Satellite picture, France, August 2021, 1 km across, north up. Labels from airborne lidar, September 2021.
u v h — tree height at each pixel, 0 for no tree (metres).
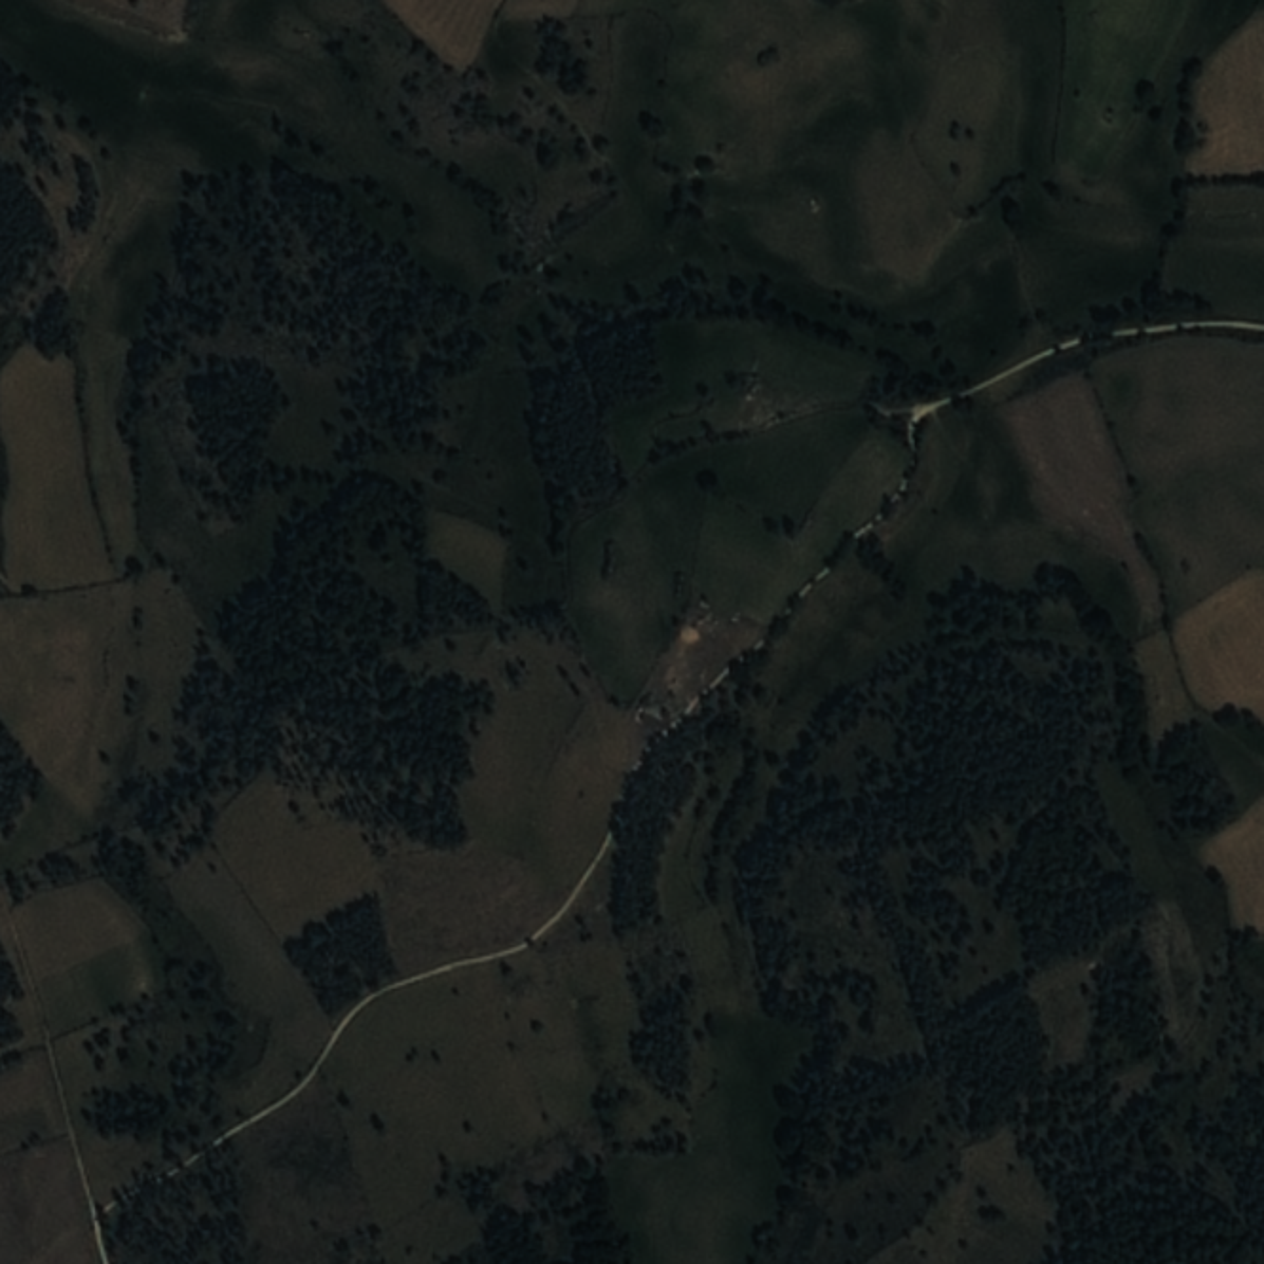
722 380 0
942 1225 0
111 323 0
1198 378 0
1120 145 0
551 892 0
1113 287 0
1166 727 0
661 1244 0
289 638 17
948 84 0
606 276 0
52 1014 0
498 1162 0
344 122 0
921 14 0
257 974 0
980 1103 14
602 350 20
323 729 15
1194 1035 0
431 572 16
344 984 18
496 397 0
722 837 11
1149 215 0
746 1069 0
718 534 0
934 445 0
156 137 0
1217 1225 19
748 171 0
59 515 0
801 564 0
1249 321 0
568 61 11
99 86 0
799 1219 0
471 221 0
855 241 0
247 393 17
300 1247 0
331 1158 0
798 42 0
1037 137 0
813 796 15
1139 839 0
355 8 0
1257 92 0
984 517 0
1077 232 0
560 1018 0
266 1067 0
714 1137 0
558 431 18
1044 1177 7
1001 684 17
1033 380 0
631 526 0
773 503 0
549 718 0
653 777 16
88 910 0
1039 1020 9
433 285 17
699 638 0
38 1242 0
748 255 0
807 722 0
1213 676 0
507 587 0
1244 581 0
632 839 16
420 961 0
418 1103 0
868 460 0
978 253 0
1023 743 16
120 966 0
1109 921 19
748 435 9
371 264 16
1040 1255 0
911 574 0
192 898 0
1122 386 0
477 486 0
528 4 0
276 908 0
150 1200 17
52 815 0
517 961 0
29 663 0
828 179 0
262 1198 0
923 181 0
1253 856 0
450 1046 0
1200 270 0
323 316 14
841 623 0
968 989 0
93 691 0
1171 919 0
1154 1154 12
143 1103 17
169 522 0
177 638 0
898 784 16
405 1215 0
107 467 0
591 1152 0
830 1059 18
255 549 0
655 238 0
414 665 0
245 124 0
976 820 16
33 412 0
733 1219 0
